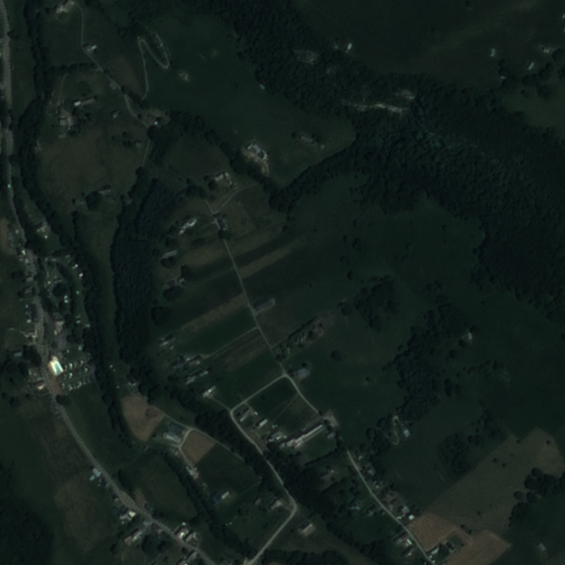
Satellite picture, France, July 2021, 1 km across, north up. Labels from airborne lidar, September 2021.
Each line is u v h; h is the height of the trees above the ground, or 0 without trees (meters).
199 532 0
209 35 0
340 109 20
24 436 0
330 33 0
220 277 0
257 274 0
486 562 0
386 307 6
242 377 0
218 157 0
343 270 0
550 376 0
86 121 17
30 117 22
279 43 9
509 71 19
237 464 0
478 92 8
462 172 19
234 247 0
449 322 19
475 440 19
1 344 0
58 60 0
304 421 0
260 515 0
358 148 22
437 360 0
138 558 0
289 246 0
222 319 0
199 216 0
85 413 0
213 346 0
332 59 20
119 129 0
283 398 0
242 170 19
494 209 28
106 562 0
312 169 16
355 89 7
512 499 0
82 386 0
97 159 0
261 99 0
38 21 25
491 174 16
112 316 0
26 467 0
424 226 0
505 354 0
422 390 16
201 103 0
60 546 0
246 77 0
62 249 10
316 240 0
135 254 24
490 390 0
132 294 27
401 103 7
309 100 25
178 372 7
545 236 17
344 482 11
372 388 0
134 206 7
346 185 0
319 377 0
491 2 0
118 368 0
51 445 0
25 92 0
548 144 20
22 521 24
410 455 0
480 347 0
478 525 0
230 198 0
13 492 7
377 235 0
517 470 0
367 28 0
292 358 0
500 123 23
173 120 7
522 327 0
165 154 13
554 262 19
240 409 0
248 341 0
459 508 0
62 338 0
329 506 13
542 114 0
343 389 0
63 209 0
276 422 0
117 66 0
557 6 0
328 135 0
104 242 0
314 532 0
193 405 25
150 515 0
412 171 28
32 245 22
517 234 21
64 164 0
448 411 0
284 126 0
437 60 0
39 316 0
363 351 0
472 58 0
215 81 0
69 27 0
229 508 0
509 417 0
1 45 0
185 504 0
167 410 0
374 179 7
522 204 20
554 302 7
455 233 0
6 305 0
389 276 11
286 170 0
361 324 0
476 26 0
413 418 12
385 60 0
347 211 0
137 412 0
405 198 22
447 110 17
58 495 0
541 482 18
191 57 0
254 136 0
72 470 0
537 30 0
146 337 13
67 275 18
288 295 0
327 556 18
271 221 0
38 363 14
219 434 11
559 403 0
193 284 0
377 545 23
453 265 0
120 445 0
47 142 0
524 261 22
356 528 0
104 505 0
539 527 0
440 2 0
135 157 0
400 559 0
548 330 0
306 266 0
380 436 13
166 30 0
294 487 22
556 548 0
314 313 0
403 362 22
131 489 9
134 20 9
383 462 6
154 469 0
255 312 0
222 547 0
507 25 0
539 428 0
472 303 0
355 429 0
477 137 15
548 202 13
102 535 0
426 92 16
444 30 0
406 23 0
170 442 0
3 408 0
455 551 0
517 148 15
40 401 0
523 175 6
